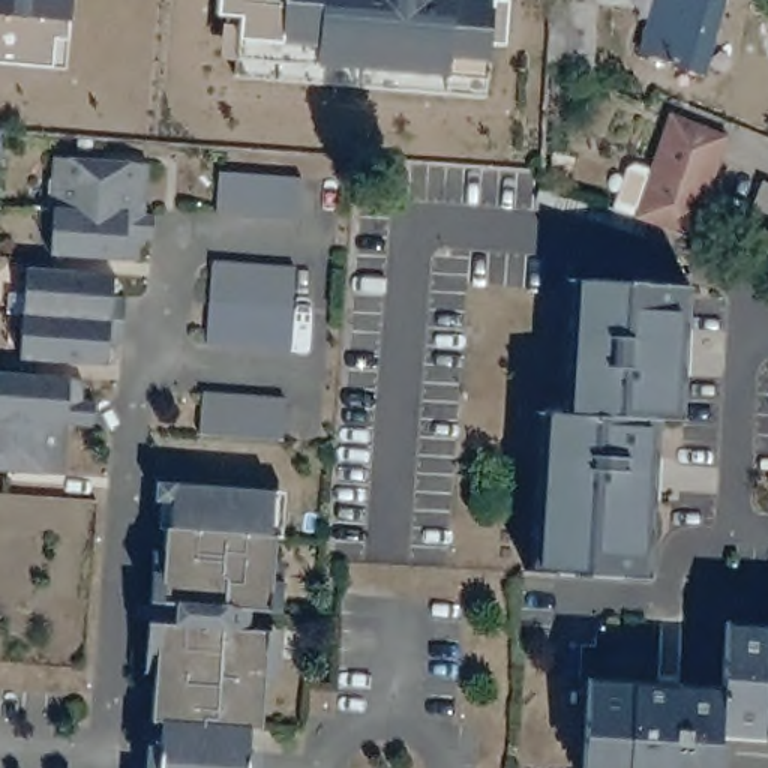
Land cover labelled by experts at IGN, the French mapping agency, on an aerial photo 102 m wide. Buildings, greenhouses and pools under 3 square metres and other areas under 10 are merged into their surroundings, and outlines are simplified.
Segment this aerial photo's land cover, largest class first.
<instances>
[{"label":"impervious surface","instance_id":"1","mask_svg":"<svg viewBox=\"0 0 768 768\"><path fill-rule=\"evenodd\" d=\"M711 144L717 147L729 171H720L708 186L699 189L696 198H690L687 216L681 219V237L666 240L660 228L621 216L615 213V207L579 210V198L540 192L534 186V174L525 168L453 165L426 159L405 165V174L411 177L414 207L399 219H372L363 222L357 234L354 273L357 279H363V297H354L351 348L345 351V363H354L357 375H348V387L342 390L345 429H339L336 441L330 492L339 495L333 513H342L345 525H333V561L348 564L444 567V546H453V531H447L450 507L465 504V501L459 456L465 435L474 432V426L456 408L462 396L459 348L468 345L465 336H459V312L465 309L468 288H486V282H495L528 288L537 294L534 315L549 324V330H561V285L567 276H579L582 282L606 279L681 285V327L690 330L687 384L702 387V396L708 399L690 402L684 420V453L669 459L660 456L657 501L648 510V528L654 537L648 564L618 579V585L600 582L597 576H564L552 591H531L528 618L531 624L552 630L555 663L546 675L549 720L555 726L558 741L567 750L564 768H585V687L591 678L636 681L651 675H681L687 687H720L726 624L768 627V309L759 306L750 294L732 297L729 291H723V285L705 279V270H690V249L696 243L699 210H708L717 198H738L756 204L762 183L768 186V135H753L735 126L723 129V135H717ZM600 609H642L648 621L642 627H612L609 633H600V621H606ZM300 186V210L291 219V228L237 231L216 210H210L207 219H192V213H183L180 219L168 222L156 219L141 231L144 243L138 249V261H111L114 273L144 279V294L126 297V312L132 315V324L126 327V336L108 348V363L78 366V375L93 381L120 378L117 399H99L96 408L105 417V426L114 429L117 447L111 480L102 474H93L87 480H69L57 474L12 471L6 477L9 483L57 486L66 492L108 489V537L102 564L93 720L87 729L75 726L69 738H63L57 735L54 723L48 720L51 702L45 696H30L21 705H15L12 699L0 696V768H147V747L162 738V726L153 723L156 678L144 669L150 624L177 621L174 609L153 603V579L165 570V537L171 528V507L159 504L147 516L138 510V447L153 444L150 435L159 432V426L156 420L177 417L174 393H195L276 399L282 396V390H303L321 399L327 348L336 342L330 327L333 264H327V249L339 246L333 237L330 216V210H336L339 180L333 177L321 186L318 180H309L303 174L291 177ZM204 261L213 264L231 261L294 270L285 279V297L297 306V312L291 348L282 357L204 351V333H186V324H192L189 306L204 300ZM468 621L462 612L459 594H435L420 603L390 597H351L348 606H342L339 621V687H345V699H339L336 714L318 720L303 756L285 765L276 753H258L252 747L255 768H363L366 756L378 753H408L414 768H480L477 732L462 726L465 708L471 702L462 687L459 669L462 660L471 654L459 645V636ZM723 747L717 768H768V738L765 744H729L726 738L717 741Z\"/></svg>","mask_w":768,"mask_h":768},{"label":"building","instance_id":"2","mask_svg":"<svg viewBox=\"0 0 768 768\"><path fill-rule=\"evenodd\" d=\"M75 0H0V63L6 69L27 72L66 69L69 45L75 36V24L69 18ZM216 6L222 18V54L240 63L234 72L237 81L252 75L270 84H330L363 87L366 93H420L450 99H486L489 75L483 60L492 54V45L510 48L513 0H219ZM543 24V33H549V60H558V72H573L582 60H588L597 51V18L606 9L603 0H531ZM726 0H654L648 18H642L645 39L633 45L642 57H660L672 63L678 75L708 72L711 57L723 51L717 45V30L723 21ZM717 135L702 126L669 117L654 162L630 165L624 174L612 177L609 189L615 195V213L621 216L660 228L666 240L681 237V219L687 216L690 198H696L699 189L708 186L720 171H729L717 147L711 144ZM147 165L93 159L84 168L78 159H54L48 195L60 201L54 213L51 252L57 258L78 261L69 270L27 267V294L15 291L12 315H24L21 357L48 366L42 369V375H0V471L6 477L12 471L57 474L66 462L69 435H75L81 426H105V417L96 408L78 411L84 390H93V381L78 375V366L108 363V348L126 336V327L132 324V315L126 312V297L114 291V273L111 261H138V249L144 243L141 231L156 219L162 201H153L147 192ZM300 210V186L291 177L222 174L216 207V210L237 231L291 228V219ZM768 213V186L762 183L756 204ZM294 270L231 261L213 264L210 327L204 333V351L282 357L291 348L297 312V306L285 297V279ZM681 285L606 279L582 282L576 402L573 414L552 417L543 561L534 570H525L522 576L531 582V591H552L564 576H597L600 582L618 585V579L648 564L654 537L648 528V510L657 501L660 456V441L672 429L669 417L684 420L690 402L708 399L702 396V387L687 384L690 330L681 327ZM195 402L204 408L201 432L255 438L291 435L294 444H309L312 438H321V399L303 390H282V396L276 399L195 393ZM159 504L171 507V528L165 537V570L153 579V603L174 609L177 621L150 624L144 669L156 678L153 723L162 726V738L147 747V768H255L252 747V732L267 729L270 714L264 711V693L279 666V636H273L270 630H252V615L261 612L273 618L276 609H285L288 600L285 558L276 537L285 534L288 525V495L279 486L240 489L201 483H159ZM585 768H717L723 747L717 741L726 738L729 744H765L768 738V627L726 624L720 687H687L681 675H651L636 681L591 678L585 687Z\"/></svg>","mask_w":768,"mask_h":768},{"label":"herbaceous vegetation","instance_id":"3","mask_svg":"<svg viewBox=\"0 0 768 768\"><path fill-rule=\"evenodd\" d=\"M219 0H75L69 18L75 24V36L69 45L66 69L27 72L6 69L0 63V126L18 114L30 126V135H24V153L6 150L0 156V375H42V369L48 366L21 357L24 315H12L15 291L27 294V267L69 270L78 261L57 258L51 252L54 213L60 201L48 195L54 159H78L84 168L93 159L147 165V192L153 201H162L156 219L168 222L180 219L183 213L177 207V195H195V201L216 207L222 174L291 177L303 174L309 180H318L321 186L333 177L339 180L351 174H369L372 162H378L375 156L381 147L399 150V159L405 165L426 159L453 165L525 168L528 150H540V165H564L579 183L609 189L612 177L624 174L630 165L654 162L669 117L702 126L717 135H723V129L711 117L681 108V93L657 87L651 102H630L612 93L597 108L588 126L570 135V147L558 153L549 144V129L561 120V108L555 102L558 72V60H549V33H543V24L531 0H513L510 48L492 45V54L483 60L489 75L486 99H450L420 93H366L363 87L330 84H270L252 75L237 81L234 72L240 63L222 54V18L216 6ZM516 51L525 54L528 69L525 108L513 105L516 78L510 60ZM162 96H168L171 102V117L186 129L183 135H159V129L150 123L147 111L159 108ZM177 144H222L228 147V162H216L213 174H207L201 159L180 153ZM654 0H603L606 9L597 18V51L588 60L600 63L606 57H621L624 69H630L642 57L633 45L645 39L642 18H648ZM330 216L333 237L339 246H345L348 252L345 306L342 327H330L336 342L327 348L321 399V438H312L309 444H294L291 435L255 438L201 432L198 438H174L159 432L150 435L153 444L138 447V510L147 516L159 504V483H201L240 489L279 486L288 495V525H297L300 531L315 528V492L321 459L315 447L336 441L339 429H345L342 390L348 387V375H357L354 363H345V351L351 348L354 297H363V279H357L354 273L357 234L363 222L372 219L363 207H351L348 216H339L336 210H330ZM204 300L189 306L192 324H186V333H204L210 327L213 264L204 261ZM114 291L126 297L144 294V279L114 273ZM561 330H549V324L534 315L537 294L528 288L495 282H486V288H468L465 309L459 312V336H465L468 345L459 348L462 396L456 408L474 426V432L465 435L459 456L465 501L471 498V465L477 453L507 456L513 459L516 471L513 516L507 528L480 525L465 504L450 507L447 531H453V546H444V567L348 564V588L342 594V606H348L351 597H390L420 603L435 594H459L462 612L492 600L495 591H501V579L513 582L516 576H522L525 570H534L543 561L552 417L573 414L576 402L582 282L579 276H567L561 285ZM120 378L93 381V390H84L78 411L96 408L99 399H117ZM177 417L156 420L159 426H189L195 402V393H174ZM672 429L660 441V456L669 459L684 453V420L669 417ZM117 447L114 429L105 426H81L75 435H69L66 462L57 474L69 480H87L93 474H102L111 480ZM108 537V489L66 492L57 486L9 483L6 477L0 471V618L12 627L36 630L33 642L45 645L51 657H72V669H42L24 663L0 666V696L12 699L15 705H21L30 696H45L51 702L48 720L54 723H60L69 714V705H75V696H81L87 705V717H81L75 726L87 729L93 720L102 564ZM276 537L285 558L288 600L303 597L306 585L324 582V576L321 570H315L312 549L288 546L285 534ZM252 630H270L273 636H279V666L264 693V711L270 714H294L297 678L291 654L294 630H273V618L261 612L252 615ZM459 645L471 654L462 660L459 669L462 687L471 684L474 675L492 672L495 699L489 705L471 702L465 708L462 726L477 732L480 768H498L504 750L507 636L495 633L486 636L474 630L468 621L459 636ZM519 768H564L567 750L558 741L555 726L549 720L546 675L534 663L525 666L519 741L510 750ZM339 699H345V687H339V681L327 690L309 693L306 723L291 738L276 741L267 729L252 732V747L258 753H276L285 765L303 756L318 720L336 714Z\"/></svg>","mask_w":768,"mask_h":768},{"label":"deciduous trees","instance_id":"4","mask_svg":"<svg viewBox=\"0 0 768 768\"><path fill-rule=\"evenodd\" d=\"M555 102L561 108V120L549 129V144L558 153L570 147V135L588 126L597 108L612 93L630 102H651L657 87L642 84L630 69H624L621 57H606L600 63L588 60H582L573 72H558ZM24 135H30V126L18 114L0 126V156L6 150L24 153ZM378 162H372L369 174H351L339 180L336 210L339 216H348L351 207H363L372 219H399L414 207L411 177L405 174V165L399 159V150L381 147L375 156ZM690 270H705V279L723 285V291H729L732 297L750 294L759 306L768 309V213L756 204L738 198H717L708 210H699L696 243L690 249ZM471 498L465 501V504L480 525L507 528L513 516L516 471L513 459L507 456L477 453L471 465ZM273 630H294L291 654L297 678L306 684L309 693L327 690L339 681V621L327 612H318L303 597L288 600L285 609H276L273 618ZM474 630L486 636L495 633L498 606L492 600L462 612ZM606 621H600V633H609L612 627H642L648 621L642 609H600ZM522 648L534 663L546 675L555 663L552 630L531 624L528 618L522 624ZM471 702L489 705L495 699L492 672L474 675L471 684L462 687ZM81 717H87V705L81 696H75V705H69V714L60 723H54L57 735L63 738H69L75 726ZM363 768H414L408 753H378L366 756Z\"/></svg>","mask_w":768,"mask_h":768},{"label":"brushwood","instance_id":"5","mask_svg":"<svg viewBox=\"0 0 768 768\"><path fill-rule=\"evenodd\" d=\"M516 78L513 105L525 108L528 69L525 54L516 51L510 60ZM150 123L159 129V135H183L186 129L171 117V102L168 96H162L159 108L147 111ZM180 153L201 159L207 174H213L216 162H228V147L222 144H177ZM525 168L534 174V186L540 192L579 198V210L615 207V195L609 189L579 183L564 165H540V150H528ZM177 207L183 213H192V219H207L210 210H216V207L195 201V195H177ZM348 252L345 246H339L327 249V264H333L330 327H342L345 306ZM204 408L195 402L189 426H159V432L174 438H198L201 432ZM321 459L315 492V528L300 531L297 525H288L285 534L288 546L312 549L315 570H321L324 576V582L306 585L303 597L318 612H327L339 621L342 606V594L348 588V564L333 561V525H345L342 513H333L339 495L330 492L336 441L315 447ZM531 591V582L522 576H516L513 582L501 579V591H495L492 600L498 606L495 633L507 636L504 750L498 768H519L510 750L519 741L525 666L534 663L522 648V624L528 618ZM36 630L12 627L0 618V666L24 663L42 669H72V657H51L45 645L33 642ZM309 693L306 684L297 678L294 714H270L267 729L276 741L291 738L306 723Z\"/></svg>","mask_w":768,"mask_h":768},{"label":"pervious surface","instance_id":"6","mask_svg":"<svg viewBox=\"0 0 768 768\"><path fill-rule=\"evenodd\" d=\"M717 45L723 51L711 57L708 72L678 75L672 63L660 57H642L630 69L642 84L657 87L681 93V108L711 117L723 129L735 126L753 135H768V0H726L723 21L717 30Z\"/></svg>","mask_w":768,"mask_h":768}]
</instances>
